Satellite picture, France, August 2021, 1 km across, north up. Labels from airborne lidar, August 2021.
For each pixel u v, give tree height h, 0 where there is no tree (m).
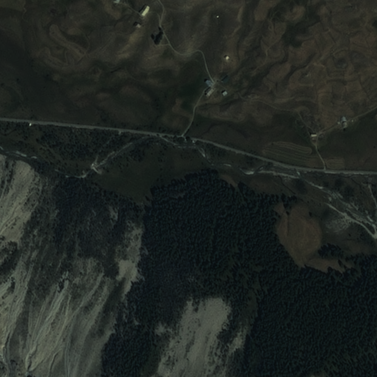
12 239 0
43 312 0
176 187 21
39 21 0
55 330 0
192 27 0
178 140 6
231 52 0
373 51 0
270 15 0
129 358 16
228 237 21
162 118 0
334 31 0
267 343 12
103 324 0
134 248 0
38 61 0
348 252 0
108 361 7
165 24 0
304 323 23
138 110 0
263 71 0
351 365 19
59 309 0
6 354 0
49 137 12
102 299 0
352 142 0
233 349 0
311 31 0
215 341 0
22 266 0
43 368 0
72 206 7
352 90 0
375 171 0
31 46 0
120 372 9
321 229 0
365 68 0
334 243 0
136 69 0
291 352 12
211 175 26
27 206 0
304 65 0
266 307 19
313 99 0
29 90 0
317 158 0
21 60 0
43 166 10
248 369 13
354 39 0
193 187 10
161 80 0
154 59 0
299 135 0
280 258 20
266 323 15
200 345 0
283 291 21
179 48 0
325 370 10
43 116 0
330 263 0
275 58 0
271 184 0
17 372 0
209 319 0
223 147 0
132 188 0
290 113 0
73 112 0
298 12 0
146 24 0
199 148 0
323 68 0
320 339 20
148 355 15
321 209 0
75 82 0
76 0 0
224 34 0
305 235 0
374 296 23
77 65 0
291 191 0
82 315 0
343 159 0
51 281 0
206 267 22
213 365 0
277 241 18
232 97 0
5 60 0
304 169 0
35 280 0
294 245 0
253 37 0
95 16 0
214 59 0
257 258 20
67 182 8
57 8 0
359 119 0
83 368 0
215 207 14
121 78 0
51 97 0
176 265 8
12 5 0
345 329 21
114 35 0
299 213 0
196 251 15
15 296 0
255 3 0
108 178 0
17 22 0
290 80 0
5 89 0
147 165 0
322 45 0
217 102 0
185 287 8
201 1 0
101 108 0
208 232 19
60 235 8
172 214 22
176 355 0
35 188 0
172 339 0
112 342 6
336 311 21
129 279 0
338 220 0
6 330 0
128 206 7
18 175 0
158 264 9
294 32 0
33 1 0
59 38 0
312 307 22
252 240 18
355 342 20
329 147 0
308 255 0
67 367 0
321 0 0
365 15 0
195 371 0
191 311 0
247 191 22
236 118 0
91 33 0
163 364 0
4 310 0
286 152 0
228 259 19
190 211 19
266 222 15
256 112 0
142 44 0
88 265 0
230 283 14
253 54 0
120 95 0
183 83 0
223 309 0
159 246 12
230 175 0
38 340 0
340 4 0
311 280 26
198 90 0
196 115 0
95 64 0
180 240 16
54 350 0
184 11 0
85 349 0
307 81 0
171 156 0
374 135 0
